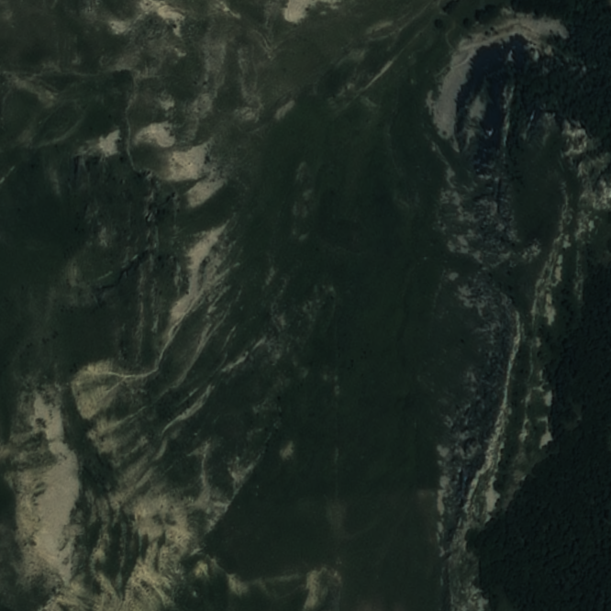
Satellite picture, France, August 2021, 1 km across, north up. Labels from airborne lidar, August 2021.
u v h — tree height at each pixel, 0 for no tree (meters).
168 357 0
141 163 0
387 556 0
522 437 0
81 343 0
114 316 0
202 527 0
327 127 0
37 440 0
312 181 0
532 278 0
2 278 0
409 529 0
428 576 0
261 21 0
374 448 0
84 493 0
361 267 0
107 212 0
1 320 0
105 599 0
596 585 10
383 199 0
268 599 0
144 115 0
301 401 0
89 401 0
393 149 0
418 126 0
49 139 0
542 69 7
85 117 0
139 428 0
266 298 0
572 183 0
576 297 0
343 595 0
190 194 0
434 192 0
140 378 0
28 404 0
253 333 0
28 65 0
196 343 0
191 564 0
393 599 0
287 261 0
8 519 0
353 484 0
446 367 0
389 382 0
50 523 0
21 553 0
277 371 0
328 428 0
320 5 0
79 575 0
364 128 0
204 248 0
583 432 9
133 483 0
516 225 0
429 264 0
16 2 0
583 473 17
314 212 0
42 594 0
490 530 10
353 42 0
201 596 0
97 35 0
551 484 17
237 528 0
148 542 0
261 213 0
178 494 0
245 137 0
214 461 0
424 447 0
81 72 0
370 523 0
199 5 0
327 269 0
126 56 0
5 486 0
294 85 0
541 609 14
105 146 0
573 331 6
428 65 0
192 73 0
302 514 0
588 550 20
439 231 0
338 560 0
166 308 0
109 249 0
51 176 0
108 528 0
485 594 9
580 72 6
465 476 0
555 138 0
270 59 0
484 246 0
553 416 14
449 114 0
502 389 0
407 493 0
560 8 18
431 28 0
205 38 0
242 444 0
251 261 0
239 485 0
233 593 0
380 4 0
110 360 0
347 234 0
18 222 0
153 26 0
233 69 0
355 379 0
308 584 0
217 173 0
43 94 0
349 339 0
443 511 0
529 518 17
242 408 0
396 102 0
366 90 0
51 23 0
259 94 0
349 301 0
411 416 0
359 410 0
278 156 0
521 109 8
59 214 0
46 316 0
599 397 16
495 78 8
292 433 0
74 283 0
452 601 0
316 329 0
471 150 0
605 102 11
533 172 0
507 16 0
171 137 0
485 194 0
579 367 14
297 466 0
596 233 0
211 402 0
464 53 0
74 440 0
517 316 0
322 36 0
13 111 0
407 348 0
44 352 0
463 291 0
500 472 0
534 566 17
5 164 0
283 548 0
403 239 0
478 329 0
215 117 0
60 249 0
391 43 0
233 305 0
